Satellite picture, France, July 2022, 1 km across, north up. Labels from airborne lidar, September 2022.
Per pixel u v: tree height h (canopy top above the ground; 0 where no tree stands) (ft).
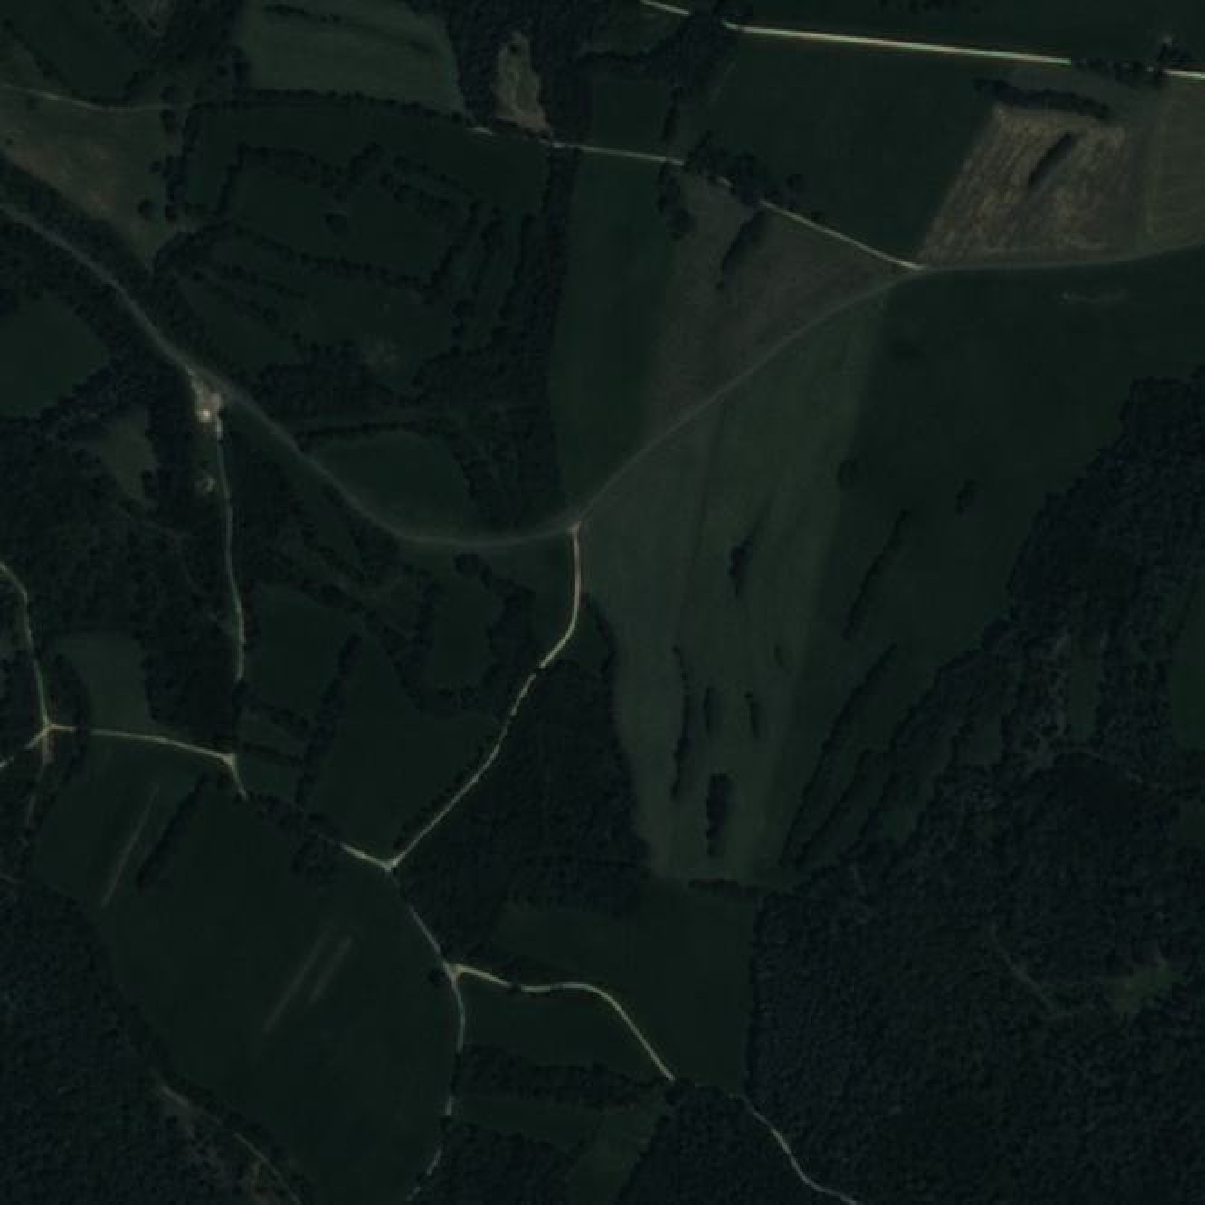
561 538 0
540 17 53
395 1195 0
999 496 0
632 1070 0
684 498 0
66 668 69
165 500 59
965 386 0
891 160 0
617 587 0
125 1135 44
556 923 0
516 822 44
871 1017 53
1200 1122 56
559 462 23
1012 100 65
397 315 0
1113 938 63
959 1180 52
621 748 40
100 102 30
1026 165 0
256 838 0
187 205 38
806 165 0
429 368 43
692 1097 75
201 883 0
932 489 0
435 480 0
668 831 0
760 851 0
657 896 0
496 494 23
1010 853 88
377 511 0
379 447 0
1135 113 0
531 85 0
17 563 35
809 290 0
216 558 23
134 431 0
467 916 30
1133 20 0
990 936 21
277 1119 0
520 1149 72
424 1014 0
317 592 54
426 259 0
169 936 0
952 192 0
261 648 52
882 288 0
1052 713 59
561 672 43
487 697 54
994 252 0
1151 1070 66
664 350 0
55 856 0
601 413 0
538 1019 0
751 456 0
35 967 59
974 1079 38
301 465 0
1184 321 0
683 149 0
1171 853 73
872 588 36
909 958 39
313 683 0
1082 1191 57
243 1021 0
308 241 0
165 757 0
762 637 0
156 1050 46
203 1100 59
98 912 0
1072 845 87
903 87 0
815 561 0
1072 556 36
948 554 0
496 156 0
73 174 0
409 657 64
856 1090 81
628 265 0
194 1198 62
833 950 55
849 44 0
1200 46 0
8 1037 69
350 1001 0
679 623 0
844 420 0
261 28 0
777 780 0
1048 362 0
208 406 0
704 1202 53
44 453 61
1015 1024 27
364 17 0
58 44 0
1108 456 45
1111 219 0
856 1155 79
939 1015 45
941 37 0
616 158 0
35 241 66
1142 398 33
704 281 0
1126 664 64
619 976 0
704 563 0
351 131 0
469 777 39
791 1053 94
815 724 0
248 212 0
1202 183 0
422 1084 0
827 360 0
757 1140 63
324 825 52
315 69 0
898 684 0
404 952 0
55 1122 90
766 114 0
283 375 66
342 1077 0
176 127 43
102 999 34
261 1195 35
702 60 43
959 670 46
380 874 0
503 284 0
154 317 25
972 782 60
